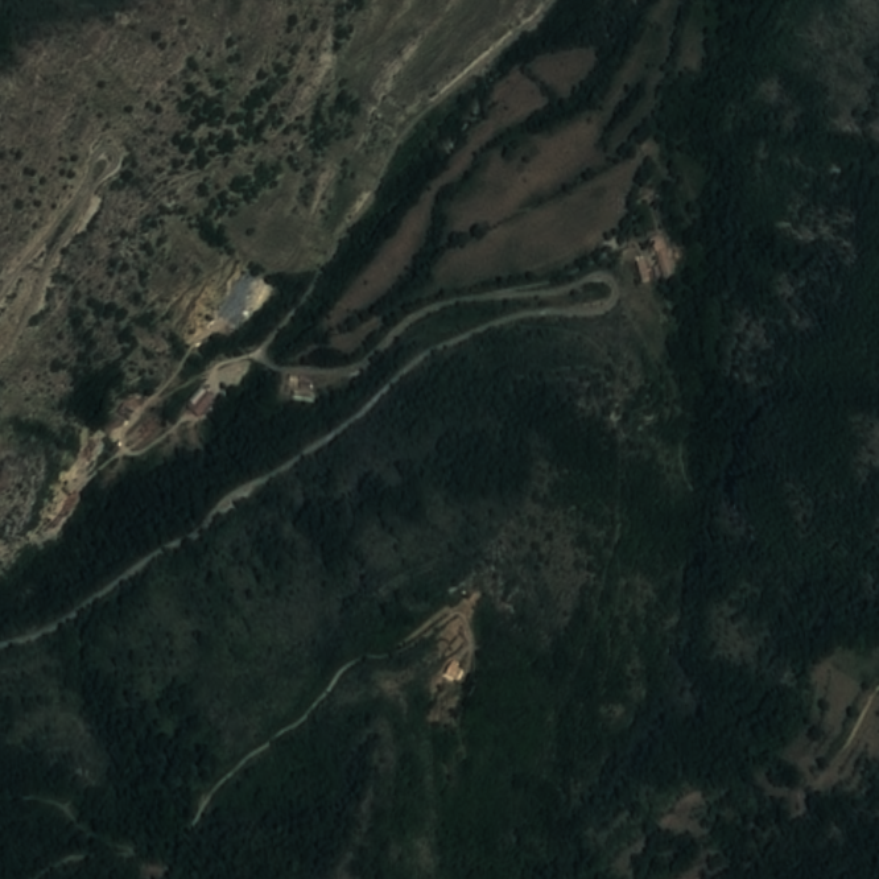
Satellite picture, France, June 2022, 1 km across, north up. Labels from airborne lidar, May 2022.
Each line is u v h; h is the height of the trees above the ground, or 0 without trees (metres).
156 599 0
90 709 16
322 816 11
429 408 6
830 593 14
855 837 10
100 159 0
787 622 13
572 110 6
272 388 10
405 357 8
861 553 8
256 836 17
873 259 11
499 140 8
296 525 9
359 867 9
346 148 0
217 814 13
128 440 0
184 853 16
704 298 9
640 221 8
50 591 16
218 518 12
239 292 0
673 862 13
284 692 0
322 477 8
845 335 10
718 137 6
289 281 14
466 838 9
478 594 0
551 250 0
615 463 9
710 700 8
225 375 0
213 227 8
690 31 0
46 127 0
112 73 0
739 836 11
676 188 16
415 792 5
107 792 16
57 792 7
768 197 6
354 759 7
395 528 9
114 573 7
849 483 6
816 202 6
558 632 8
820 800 15
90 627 14
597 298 0
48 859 9
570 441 11
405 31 0
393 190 13
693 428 11
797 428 11
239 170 0
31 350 0
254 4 0
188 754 13
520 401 10
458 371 8
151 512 14
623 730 10
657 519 12
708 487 11
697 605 8
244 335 7
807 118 10
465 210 0
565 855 8
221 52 0
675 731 10
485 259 0
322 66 0
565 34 14
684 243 11
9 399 0
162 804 15
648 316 0
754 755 10
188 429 0
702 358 16
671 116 9
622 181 0
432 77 0
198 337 0
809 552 8
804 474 11
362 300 0
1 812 14
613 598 13
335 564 10
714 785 9
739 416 20
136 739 8
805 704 8
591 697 13
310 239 0
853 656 0
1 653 6
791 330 7
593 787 14
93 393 17
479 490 10
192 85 7
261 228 0
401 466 12
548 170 0
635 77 0
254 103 11
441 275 0
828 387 10
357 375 10
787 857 8
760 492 12
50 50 0
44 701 6
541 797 9
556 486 7
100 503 19
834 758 0
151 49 0
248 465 15
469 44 0
